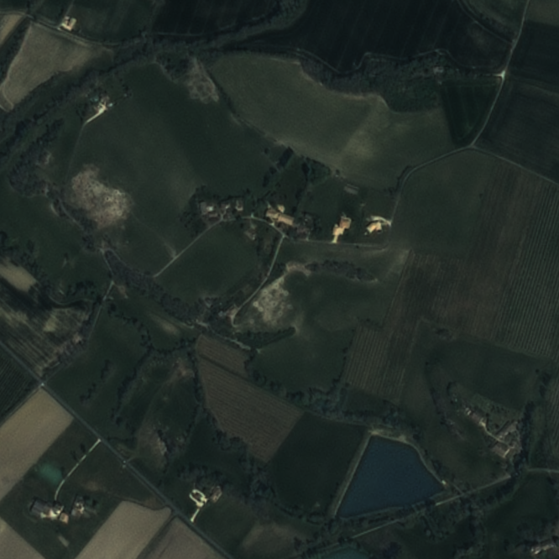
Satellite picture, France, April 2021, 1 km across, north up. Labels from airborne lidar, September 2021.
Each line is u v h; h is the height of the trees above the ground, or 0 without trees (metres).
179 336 0
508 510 0
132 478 0
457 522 11
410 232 0
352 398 0
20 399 9
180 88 0
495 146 0
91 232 16
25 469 0
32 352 0
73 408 0
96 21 0
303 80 0
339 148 0
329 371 0
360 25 0
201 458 0
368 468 0
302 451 0
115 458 0
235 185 0
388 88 6
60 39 0
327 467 0
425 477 0
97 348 0
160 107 0
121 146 0
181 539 0
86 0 0
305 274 0
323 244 0
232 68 0
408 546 0
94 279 0
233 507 0
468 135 0
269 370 0
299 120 0
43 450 0
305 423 0
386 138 0
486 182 0
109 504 0
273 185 18
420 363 0
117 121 0
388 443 0
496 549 0
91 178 0
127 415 0
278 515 0
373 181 0
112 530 0
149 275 12
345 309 0
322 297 0
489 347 0
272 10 0
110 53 0
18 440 0
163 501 0
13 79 0
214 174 0
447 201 0
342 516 0
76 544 0
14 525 0
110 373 14
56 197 12
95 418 0
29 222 0
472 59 0
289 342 0
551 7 0
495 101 0
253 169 0
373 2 0
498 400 0
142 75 0
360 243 0
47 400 0
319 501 0
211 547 0
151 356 18
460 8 0
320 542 14
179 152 0
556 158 0
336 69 0
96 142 0
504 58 0
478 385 0
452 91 0
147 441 0
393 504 0
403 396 0
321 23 0
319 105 0
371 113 0
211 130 0
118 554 0
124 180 0
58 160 0
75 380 0
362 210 0
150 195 0
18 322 0
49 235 0
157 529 0
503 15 0
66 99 9
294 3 21
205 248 0
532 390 0
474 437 0
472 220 0
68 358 20
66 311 0
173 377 0
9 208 0
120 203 0
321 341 0
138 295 0
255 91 0
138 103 0
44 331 0
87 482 0
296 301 0
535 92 0
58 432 0
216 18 0
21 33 9
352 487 0
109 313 7
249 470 16
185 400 0
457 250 0
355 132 0
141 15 0
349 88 15
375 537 0
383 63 7
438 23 0
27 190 11
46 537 0
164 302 18
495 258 0
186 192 0
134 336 0
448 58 0
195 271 0
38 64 0
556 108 0
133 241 0
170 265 0
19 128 0
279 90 0
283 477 0
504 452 0
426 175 0
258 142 0
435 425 0
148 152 0
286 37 0
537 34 0
